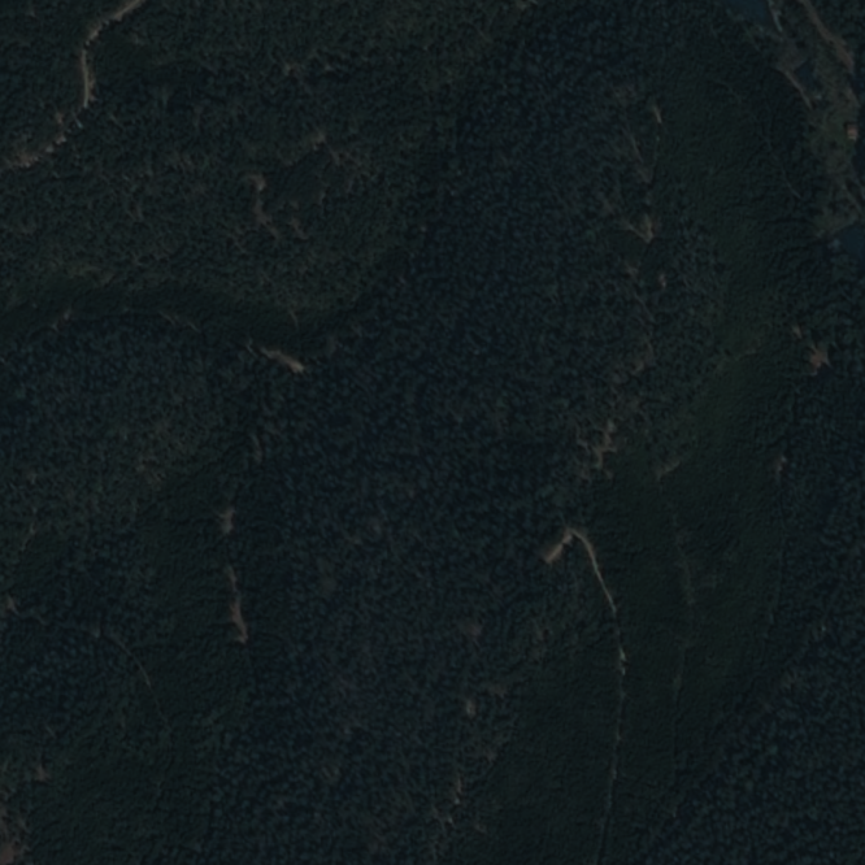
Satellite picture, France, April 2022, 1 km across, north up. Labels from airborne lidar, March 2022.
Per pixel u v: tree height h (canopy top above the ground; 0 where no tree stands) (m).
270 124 34
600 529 18
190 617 14
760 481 11
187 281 26
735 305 9
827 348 46
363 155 22
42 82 25
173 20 24
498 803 14
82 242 26
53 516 26
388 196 30
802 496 17
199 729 27
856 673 26
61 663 31
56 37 15
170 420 24
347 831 23
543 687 15
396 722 23
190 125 24
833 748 22
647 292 7
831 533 25
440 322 30
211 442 34
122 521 33
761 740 31
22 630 22
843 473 8
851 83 14
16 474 18
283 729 18
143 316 16
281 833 11
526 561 20
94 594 15
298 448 8
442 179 18
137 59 9
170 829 18
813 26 8
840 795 23
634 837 22
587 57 30
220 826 24
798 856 22
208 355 11
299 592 27
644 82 26
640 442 6
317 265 29
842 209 18
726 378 7
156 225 24
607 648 15
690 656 14
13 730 18
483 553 27
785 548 16
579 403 8
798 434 16
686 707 15
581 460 9
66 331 16
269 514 18
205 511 17
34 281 27
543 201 23
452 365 28
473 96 18
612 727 17
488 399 24
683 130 9
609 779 17
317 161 9
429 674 20
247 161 25
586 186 25
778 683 18
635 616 14
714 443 7
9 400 12
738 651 10
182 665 12
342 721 30
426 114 33
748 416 14
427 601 19
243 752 33
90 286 9
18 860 6
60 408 25
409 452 28
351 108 26
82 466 28
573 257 27
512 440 6
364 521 20
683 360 20
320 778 29
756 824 8
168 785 10
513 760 16
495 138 32
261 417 23
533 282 27
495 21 27
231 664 22
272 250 13
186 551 14
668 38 17
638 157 31
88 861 22
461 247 26
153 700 11
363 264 32
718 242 33
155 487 29
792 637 13
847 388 15
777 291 13
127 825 22
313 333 18
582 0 18
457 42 12
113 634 28
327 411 11
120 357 35
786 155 21
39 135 22
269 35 21
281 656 14
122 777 15
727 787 13
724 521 11
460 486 29
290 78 33
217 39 27
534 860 23
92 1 13
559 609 14
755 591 12
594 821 12
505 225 26
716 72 15
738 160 11
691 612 13
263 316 13
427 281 34
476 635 17
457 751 18
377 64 32
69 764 19
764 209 13
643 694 16
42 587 17
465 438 30
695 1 24
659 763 17
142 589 26
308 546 31
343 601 14
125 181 25
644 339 19
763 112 18
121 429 27
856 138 0
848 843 24
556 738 16
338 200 9
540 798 11
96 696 25
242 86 8
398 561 25
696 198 8
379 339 31
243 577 23
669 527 11
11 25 13
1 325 12
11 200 23
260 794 27
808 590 22
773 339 10
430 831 13
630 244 7
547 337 25
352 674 25
